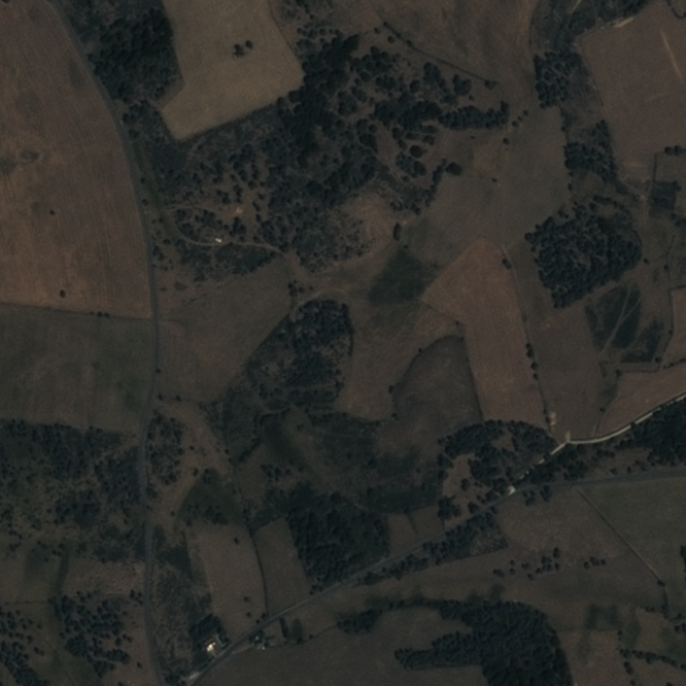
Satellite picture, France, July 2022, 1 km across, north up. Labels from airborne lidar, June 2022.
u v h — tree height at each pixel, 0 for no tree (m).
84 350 0
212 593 0
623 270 16
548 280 17
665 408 16
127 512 8
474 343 0
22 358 0
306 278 0
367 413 0
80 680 0
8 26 0
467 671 0
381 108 10
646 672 0
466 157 0
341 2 0
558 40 0
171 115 0
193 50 0
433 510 0
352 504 0
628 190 0
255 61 0
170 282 0
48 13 0
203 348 0
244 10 0
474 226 0
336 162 9
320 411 0
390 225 0
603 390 0
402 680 0
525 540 0
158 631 0
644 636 0
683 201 0
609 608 0
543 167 0
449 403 0
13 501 0
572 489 0
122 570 0
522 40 0
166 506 0
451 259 0
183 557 0
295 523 11
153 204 0
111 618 13
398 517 0
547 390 0
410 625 0
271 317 0
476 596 0
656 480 0
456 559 0
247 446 0
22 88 0
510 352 0
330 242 0
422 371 0
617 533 0
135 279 0
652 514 0
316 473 0
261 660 0
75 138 0
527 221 0
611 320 0
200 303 0
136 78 7
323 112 15
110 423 0
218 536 0
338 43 15
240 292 0
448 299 0
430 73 14
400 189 0
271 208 10
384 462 0
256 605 0
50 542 0
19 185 0
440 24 0
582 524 0
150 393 0
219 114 0
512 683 13
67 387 0
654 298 0
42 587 0
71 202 0
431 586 0
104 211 0
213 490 0
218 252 0
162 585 0
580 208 9
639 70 0
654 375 0
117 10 0
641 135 0
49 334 0
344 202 0
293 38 0
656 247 0
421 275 0
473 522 14
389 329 0
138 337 0
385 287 0
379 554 0
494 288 0
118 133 0
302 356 6
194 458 0
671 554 0
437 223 0
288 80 0
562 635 0
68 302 0
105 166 0
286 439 0
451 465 12
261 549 0
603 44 0
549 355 0
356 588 0
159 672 0
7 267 0
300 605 0
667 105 0
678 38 0
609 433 0
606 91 0
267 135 0
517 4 0
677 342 0
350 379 0
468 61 0
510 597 0
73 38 0
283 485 0
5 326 0
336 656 0
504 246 0
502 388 0
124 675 0
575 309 0
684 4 0
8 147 0
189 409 0
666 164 0
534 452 11
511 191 0
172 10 0
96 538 0
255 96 0
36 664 0
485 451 20
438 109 14
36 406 0
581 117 0
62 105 0
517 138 0
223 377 0
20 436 10
